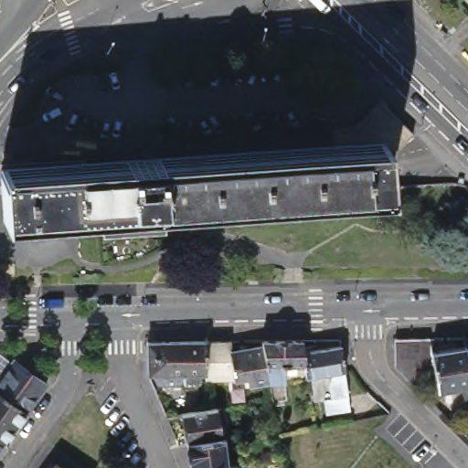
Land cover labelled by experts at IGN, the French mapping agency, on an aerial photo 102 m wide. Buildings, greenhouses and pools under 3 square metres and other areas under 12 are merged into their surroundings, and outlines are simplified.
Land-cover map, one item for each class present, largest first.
<instances>
[{"label":"impervious surface","instance_id":"1","mask_svg":"<svg viewBox=\"0 0 468 468\"><path fill-rule=\"evenodd\" d=\"M367 143L386 144L395 154V161L377 163V166L384 170L386 175H455L459 185L464 186V183H468V16L459 26L448 29L431 18L428 5L424 2H415L411 5L408 0H0V183L7 179V170L27 166H53L57 172H71L84 166H108L112 161ZM13 245V258L11 265L7 267V274L33 278L31 291L26 294L29 314L22 318H11V314H7L5 309L7 303L13 300L7 294L0 298V342H24L26 351L15 355L16 360L26 367L33 377L48 380V395H44L46 404L35 413L31 431H16L13 433V442H7L11 453L16 455L18 464L15 468H42L44 459L60 441L57 431L60 430L62 422L68 419L73 408L79 404L82 395L91 393L99 400L106 426H110L112 431L115 433L122 428H132L135 431L139 446L146 452V468H186L190 442L186 441V431L179 415L166 413L157 391L152 386L150 378L148 342L210 340L212 344L227 342L232 349H245L260 347L261 342L298 340L305 344V355L314 349L342 347V356L346 360L340 362V366L346 371V367L353 364L367 382L366 386L360 389V395H351L347 389L346 375L314 380L311 384V399L316 404H324L325 415L362 413L373 408L382 409L386 415V422L378 426L375 433L384 441H388L413 468H468V437L452 431V428L441 419V411L435 408V404L441 400L437 397V389L431 395H419L411 388V380L415 378L417 367L424 360H430L431 349L439 353L452 349H468V278L303 282V272L313 271L309 267L303 269V261L307 256L303 250L283 252L263 245L258 247V261L278 267L274 282L250 280L239 289H232L230 285H219L214 292L199 294H186L163 283L42 287L44 267L64 258L77 261L80 267H86L90 271L97 269L99 263L84 260V256L80 254L77 247L79 238L33 241L9 239ZM77 300L97 302L95 313L91 314L90 318L75 316L73 305ZM97 338L108 344V371L90 375L77 367V360L80 351L88 347L86 344ZM37 358H48L57 362V377H46L42 371H38ZM161 388L168 395H172L179 406L185 404V395L183 389L177 388L175 382L170 380H165ZM227 391H229L230 400H232V402H245V395H247L249 391V389L247 388L236 389V386H234V384H229V386H227Z\"/></svg>","mask_w":468,"mask_h":468},{"label":"building","instance_id":"2","mask_svg":"<svg viewBox=\"0 0 468 468\"><path fill-rule=\"evenodd\" d=\"M395 161V154L386 144L367 143L112 161L108 166H84L71 172H57L53 166H27L7 170V179L0 183V232H7L9 239L33 241L79 238L101 234L102 241L110 243L112 247L117 245V239H121L122 234L163 238L170 232L223 230L229 227L278 225L296 221L375 218H402V203L400 175H386L384 170L377 166V163ZM150 378L152 386L157 391L161 388L165 380H170L175 382L177 388L183 389L185 395L190 389L201 388L207 382L227 386H229V384H234V386H236V389L247 388L249 389V391L287 386V382L294 377L305 378L311 384L314 380L346 375V371L340 366V362L346 360L342 356V347L314 349L305 355V344L298 340L261 342L260 347L245 349H232L227 342L212 344L210 340L148 342ZM437 389V397L441 400L446 406H452L453 400L457 397L468 400V349H452L439 353L431 349L430 360ZM44 395H48V380L33 377L26 367L16 360L15 355H0V468H15L18 464L16 455L11 453L7 442H13V433L16 431H31L35 413L46 404ZM186 431V441L190 442L186 468H230L229 444L227 441H218V435H223V422L219 420L218 409L190 411L179 415Z\"/></svg>","mask_w":468,"mask_h":468},{"label":"herbaceous vegetation","instance_id":"3","mask_svg":"<svg viewBox=\"0 0 468 468\"><path fill-rule=\"evenodd\" d=\"M411 5L415 2H424L428 5L431 18L448 29L459 26L468 16V0H408ZM402 203L419 205L422 210L431 212L433 216H446L457 208L468 207V183H464V186L459 185L455 175H400ZM225 238H247L254 241L258 247L263 245L283 252L303 250L307 256L303 261V269L309 267L313 271L303 272V282L468 278V272H455L453 276L452 272L430 271V263L433 260L428 256H420L419 249L415 247V239L400 232L399 229H391L389 225L378 229L375 218L296 221L278 225L229 227L223 230ZM163 238L122 234L121 239H117V245L112 247L110 243L102 241L101 234L79 238L77 247L80 254L84 256V260L99 263L97 269L90 271L86 267H80L77 261L64 258L44 267L42 287L163 283L165 276L159 267V261L163 256ZM347 389L351 395H360V389L366 386L367 382L353 364L346 367V375ZM311 384L305 378L294 377L287 382V386L285 406L291 408V422L318 419L325 415L324 404H316L311 399ZM99 400L91 393L82 395L79 404L73 408L68 419L62 422L60 430L57 431L60 441L44 459L42 468H97L93 459L101 455L99 452L106 442L108 433L112 431L110 426H106ZM386 415L375 419L346 420L349 424L346 430L331 431L327 424L307 428V435L291 439L292 463L296 468H413L388 441H384L375 433L378 426L386 422Z\"/></svg>","mask_w":468,"mask_h":468},{"label":"deciduous trees","instance_id":"4","mask_svg":"<svg viewBox=\"0 0 468 468\"><path fill-rule=\"evenodd\" d=\"M378 229L389 225L391 229H399L400 232L415 239V247L419 249L420 256H428L433 260L430 263V271L452 272L453 276L455 272H468V207L457 208L446 216H433L431 212L422 210L419 205L402 203V218H375ZM163 256L159 261V267L165 276L163 283L186 294H199L214 292L219 285H230L232 289H239L250 280L274 282L278 267L258 261V247L254 241L247 238H225L223 230L170 232L163 238ZM13 258V245L9 239L7 232H0V298L7 294L13 300L7 303L5 309L7 314H11V318H22L29 314L26 294L31 291L33 278L7 274V267L11 265ZM97 302L77 300L73 305L75 316L90 318L91 314L95 313ZM88 347L80 351L77 360V367L90 375L108 371V344L97 338L86 344ZM26 351L24 342H0V355H15ZM38 371H42L46 377H57V362L48 358H37ZM411 388L419 395H431L437 389L430 360H424L417 367L415 378L411 380ZM435 408L441 411V419L452 428V431L468 437V400L457 397L453 400L452 406H446L441 400L435 404ZM101 455L93 459L97 468H146V452L139 446L135 431L132 428H122L115 433L112 431L108 433L106 442L99 452Z\"/></svg>","mask_w":468,"mask_h":468},{"label":"brushwood","instance_id":"5","mask_svg":"<svg viewBox=\"0 0 468 468\"><path fill-rule=\"evenodd\" d=\"M166 413L179 415L190 411L218 409L219 420L223 422V435H218V441H227L229 444L230 468H296L292 463L291 439L307 435V428L327 424L331 431L346 430L349 424L346 420L375 419L386 415L382 409L373 408L362 413L325 415L318 419L291 422V408L285 406L287 386L249 391L247 395H245V402H232V400H230L229 391H227V386L207 382L201 388L190 389L185 395V404L179 406L172 395H168L161 388L157 391Z\"/></svg>","mask_w":468,"mask_h":468}]
</instances>
